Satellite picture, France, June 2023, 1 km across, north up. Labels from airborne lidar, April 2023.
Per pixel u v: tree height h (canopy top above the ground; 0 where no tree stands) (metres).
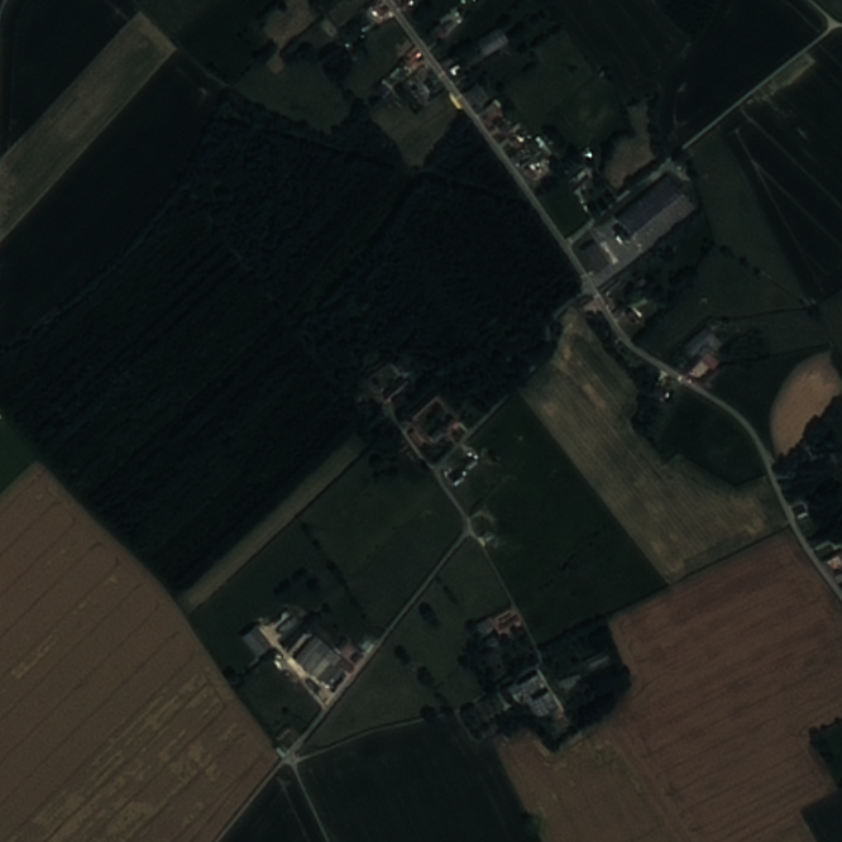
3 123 0
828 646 0
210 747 0
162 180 0
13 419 6
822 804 0
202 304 12
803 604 0
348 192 17
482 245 14
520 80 0
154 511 14
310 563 0
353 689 0
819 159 0
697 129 0
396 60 0
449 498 0
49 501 0
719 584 0
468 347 20
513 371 15
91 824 0
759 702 0
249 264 13
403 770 0
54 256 0
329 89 0
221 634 0
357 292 16
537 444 0
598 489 0
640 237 0
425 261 19
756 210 0
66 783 0
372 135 18
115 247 0
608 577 0
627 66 0
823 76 0
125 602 0
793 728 0
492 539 0
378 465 11
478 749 0
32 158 0
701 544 0
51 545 0
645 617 0
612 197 18
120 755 0
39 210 0
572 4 0
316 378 10
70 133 0
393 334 21
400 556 0
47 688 0
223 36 0
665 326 0
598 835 0
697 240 0
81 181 0
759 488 0
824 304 0
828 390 0
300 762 0
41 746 0
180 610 0
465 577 0
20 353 11
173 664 0
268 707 0
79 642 0
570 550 0
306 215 15
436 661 0
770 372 0
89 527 0
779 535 0
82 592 0
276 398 12
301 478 8
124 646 0
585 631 9
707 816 0
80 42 0
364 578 0
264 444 10
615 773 0
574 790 0
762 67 0
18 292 0
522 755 0
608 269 0
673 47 0
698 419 0
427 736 0
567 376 0
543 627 0
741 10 0
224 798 0
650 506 0
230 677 16
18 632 0
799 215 0
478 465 0
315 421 9
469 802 0
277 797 0
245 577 0
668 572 0
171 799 0
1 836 0
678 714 0
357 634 0
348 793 0
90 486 6
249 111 12
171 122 0
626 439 0
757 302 0
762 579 0
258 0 0
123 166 0
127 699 0
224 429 14
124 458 9
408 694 0
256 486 12
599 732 0
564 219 0
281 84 0
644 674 0
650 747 0
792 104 0
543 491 0
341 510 0
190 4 0
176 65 0
